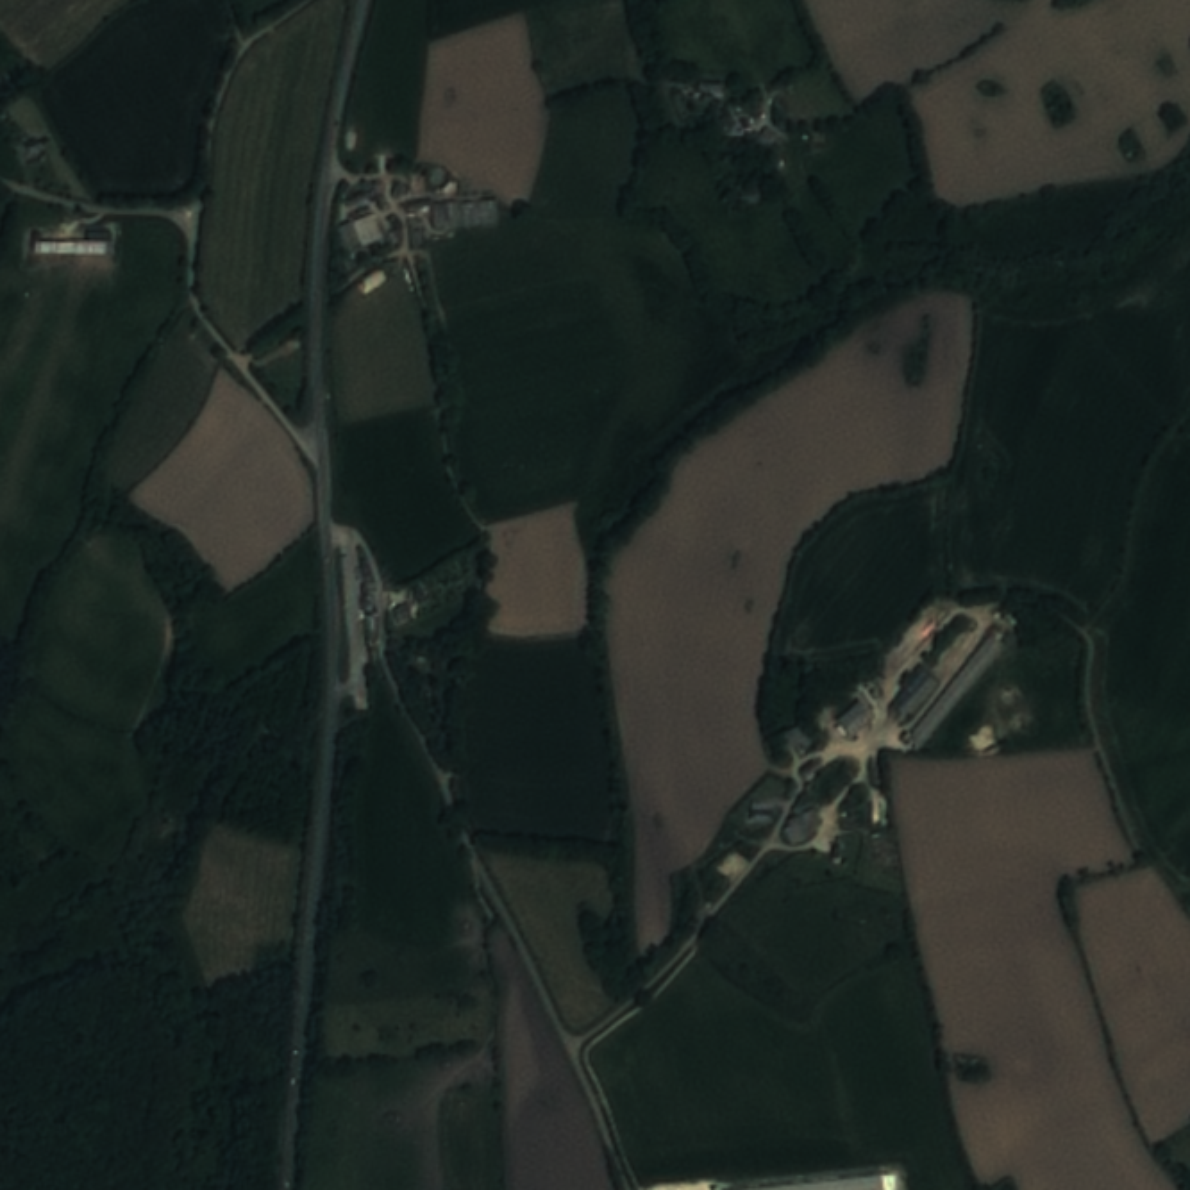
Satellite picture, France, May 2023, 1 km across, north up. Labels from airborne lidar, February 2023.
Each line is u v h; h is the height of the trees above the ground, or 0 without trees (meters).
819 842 0
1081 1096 0
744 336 13
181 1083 18
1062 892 8
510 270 0
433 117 0
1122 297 0
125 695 0
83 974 20
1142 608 0
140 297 0
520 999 0
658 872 0
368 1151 0
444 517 0
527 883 0
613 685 0
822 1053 0
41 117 0
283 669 13
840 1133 0
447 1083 0
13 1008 17
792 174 0
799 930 0
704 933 9
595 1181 0
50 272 0
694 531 0
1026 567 0
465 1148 0
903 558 0
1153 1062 0
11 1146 17
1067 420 0
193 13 0
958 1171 0
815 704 9
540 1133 0
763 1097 0
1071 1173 0
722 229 0
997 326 0
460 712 19
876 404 0
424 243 0
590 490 0
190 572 9
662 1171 0
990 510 0
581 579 0
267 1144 20
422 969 0
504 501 0
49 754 0
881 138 0
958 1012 0
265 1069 20
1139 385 0
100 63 0
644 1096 0
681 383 0
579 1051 0
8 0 0
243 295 0
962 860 0
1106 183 0
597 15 0
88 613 0
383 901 0
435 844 0
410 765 0
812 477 0
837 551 0
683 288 0
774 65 0
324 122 0
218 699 15
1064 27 0
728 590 0
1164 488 0
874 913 0
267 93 0
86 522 8
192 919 0
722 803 0
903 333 0
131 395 7
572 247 0
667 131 11
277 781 14
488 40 0
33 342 0
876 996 0
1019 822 0
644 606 0
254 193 0
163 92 0
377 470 0
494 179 0
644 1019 0
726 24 0
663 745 0
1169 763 0
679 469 0
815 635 0
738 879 0
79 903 6
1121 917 0
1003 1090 0
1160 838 0
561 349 0
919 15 0
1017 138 0
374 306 0
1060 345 0
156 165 0
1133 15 0
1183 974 0
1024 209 0
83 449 0
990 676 0
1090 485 0
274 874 0
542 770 0
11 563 0
